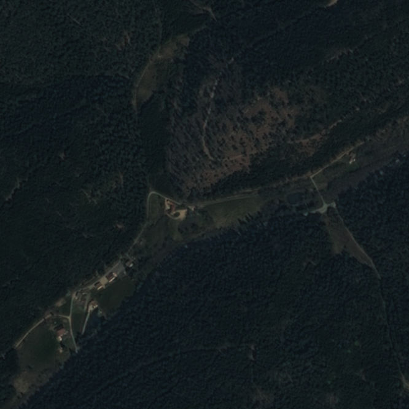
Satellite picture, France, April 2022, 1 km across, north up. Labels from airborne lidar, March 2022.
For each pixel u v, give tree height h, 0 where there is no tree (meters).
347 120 7
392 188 17
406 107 18
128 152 30
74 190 17
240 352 15
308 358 22
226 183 9
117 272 0
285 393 17
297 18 21
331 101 9
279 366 17
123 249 26
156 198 0
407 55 22
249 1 23
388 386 11
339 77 34
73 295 0
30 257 20
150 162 21
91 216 10
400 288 14
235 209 0
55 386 20
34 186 11
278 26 20
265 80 10
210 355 18
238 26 16
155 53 28
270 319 20
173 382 21
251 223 27
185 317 14
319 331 17
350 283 23
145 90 0
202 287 13
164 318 19
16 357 22
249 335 18
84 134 11
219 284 13
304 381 23
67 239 14
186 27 19
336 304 12
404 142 10
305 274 16
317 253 7
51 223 16
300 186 14
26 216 10
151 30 28
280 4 23
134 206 36
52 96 19
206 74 7
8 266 21
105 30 25
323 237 24
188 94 11
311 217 12
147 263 18
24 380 0
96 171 17
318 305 20
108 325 0
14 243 13
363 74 35
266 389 20
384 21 20
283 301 17
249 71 10
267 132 0
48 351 0
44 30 27
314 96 29
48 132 20
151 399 20
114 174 38
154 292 26
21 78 26
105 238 16
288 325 16
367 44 17
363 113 28
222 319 17
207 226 0
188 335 18
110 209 9
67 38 33
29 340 0
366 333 10
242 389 19
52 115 17
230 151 27
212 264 15
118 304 0
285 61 17
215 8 23
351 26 18
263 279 19
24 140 15
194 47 17
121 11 27
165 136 25
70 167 15
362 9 20
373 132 15
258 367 19
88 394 19
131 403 20
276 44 18
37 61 23
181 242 0
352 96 33
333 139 8
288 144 26
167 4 18
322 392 19
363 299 11
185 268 18
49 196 26
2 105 24
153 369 17
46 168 17
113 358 22
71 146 13
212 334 15
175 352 19
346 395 12
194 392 20
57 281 18
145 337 16
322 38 21
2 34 26
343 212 18
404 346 20
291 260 16
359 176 14
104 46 27
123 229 12
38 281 16
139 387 14
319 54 19
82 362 22
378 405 21
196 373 17
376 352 14
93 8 23
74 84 12
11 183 17
